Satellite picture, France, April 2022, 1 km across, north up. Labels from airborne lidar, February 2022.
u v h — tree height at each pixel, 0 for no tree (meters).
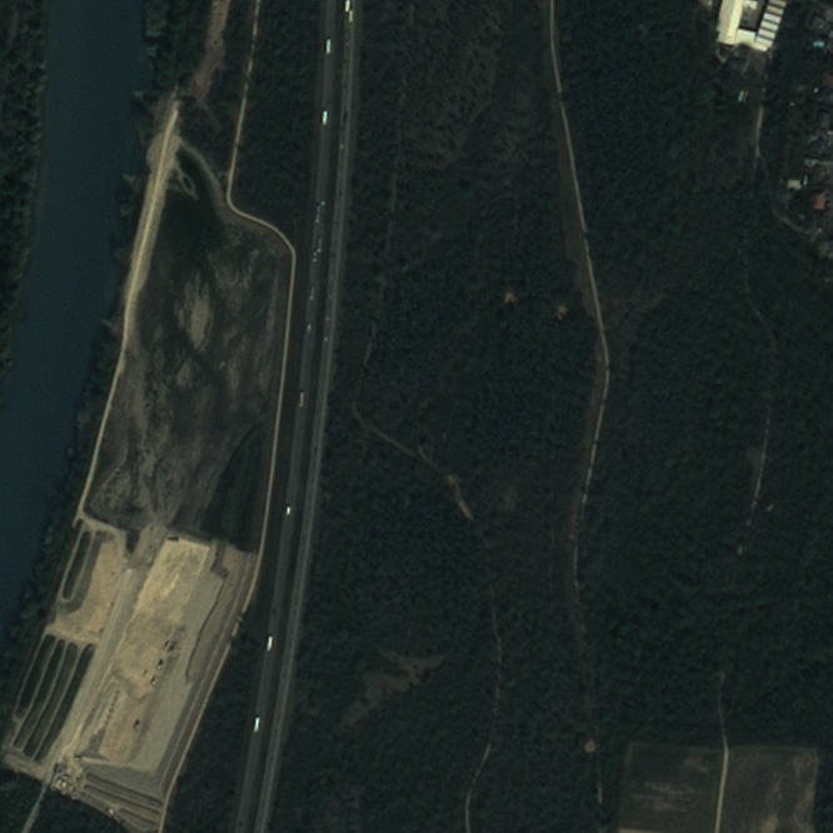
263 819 0
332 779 6
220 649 0
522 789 13
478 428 16
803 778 0
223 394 0
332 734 11
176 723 0
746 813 0
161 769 0
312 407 0
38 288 0
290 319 0
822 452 15
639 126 19
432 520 20
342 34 0
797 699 23
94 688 0
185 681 0
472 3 0
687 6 14
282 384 0
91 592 0
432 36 0
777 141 17
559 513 13
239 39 14
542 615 11
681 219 13
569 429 11
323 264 0
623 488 13
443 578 18
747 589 19
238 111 0
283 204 6
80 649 0
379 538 19
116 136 0
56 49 0
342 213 0
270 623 0
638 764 0
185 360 0
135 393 0
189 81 13
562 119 0
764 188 17
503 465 12
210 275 0
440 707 9
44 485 0
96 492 0
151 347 0
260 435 0
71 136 0
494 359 8
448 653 15
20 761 0
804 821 0
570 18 14
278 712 0
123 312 0
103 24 0
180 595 0
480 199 9
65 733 0
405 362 15
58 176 0
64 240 0
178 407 0
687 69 18
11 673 16
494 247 11
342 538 11
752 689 22
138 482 0
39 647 0
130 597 0
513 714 16
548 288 15
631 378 9
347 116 0
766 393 14
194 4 11
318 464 0
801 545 9
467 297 15
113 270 0
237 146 0
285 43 12
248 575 0
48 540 17
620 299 8
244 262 0
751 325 20
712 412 19
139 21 0
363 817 6
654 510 14
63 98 0
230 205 0
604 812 15
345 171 0
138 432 0
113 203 0
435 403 10
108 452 0
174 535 0
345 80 0
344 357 12
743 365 19
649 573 6
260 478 0
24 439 0
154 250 0
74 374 0
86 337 0
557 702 17
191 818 6
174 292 0
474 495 12
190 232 0
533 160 13
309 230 0
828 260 8
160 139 0
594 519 13
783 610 20
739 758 0
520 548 9
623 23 17
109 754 0
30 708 0
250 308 0
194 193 0
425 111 0
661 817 0
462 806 12
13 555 0
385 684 0
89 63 0
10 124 20
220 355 0
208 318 0
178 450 0
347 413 15
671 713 19
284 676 0
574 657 17
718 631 20
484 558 15
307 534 0
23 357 0
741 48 13
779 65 19
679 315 14
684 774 0
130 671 0
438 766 10
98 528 0
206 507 0
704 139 17
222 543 0
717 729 9
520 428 20
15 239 25
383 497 11
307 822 15
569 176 0
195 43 10
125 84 0
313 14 12
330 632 8
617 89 19
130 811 0
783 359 21
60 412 0
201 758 8
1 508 0
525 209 13
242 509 0
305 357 0
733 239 18
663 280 11
